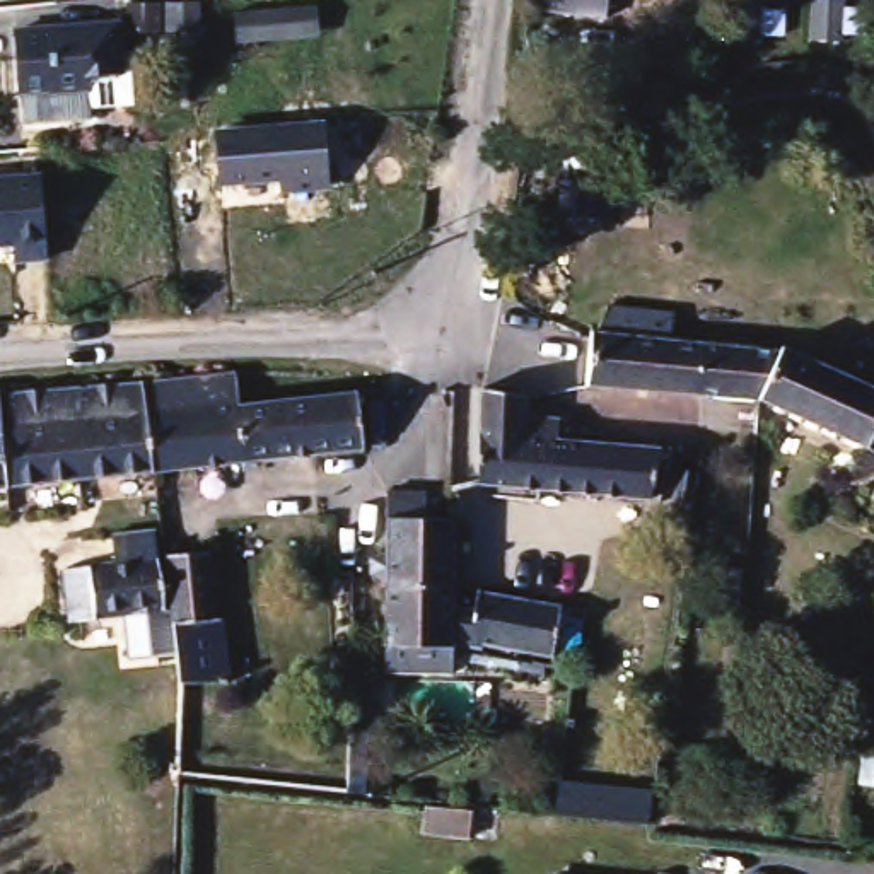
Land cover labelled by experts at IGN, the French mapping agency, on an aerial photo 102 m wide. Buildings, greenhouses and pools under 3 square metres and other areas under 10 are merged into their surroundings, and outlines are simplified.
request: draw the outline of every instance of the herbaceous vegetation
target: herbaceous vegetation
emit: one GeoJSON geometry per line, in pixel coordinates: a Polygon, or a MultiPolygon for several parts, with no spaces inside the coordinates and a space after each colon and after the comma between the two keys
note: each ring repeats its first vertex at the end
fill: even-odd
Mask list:
{"type": "Polygon", "coordinates": [[[236,365],[242,399],[358,389],[365,440],[376,447],[393,444],[413,423],[423,399],[434,393],[434,382],[420,382],[399,372],[372,372],[369,365],[348,358],[242,358],[236,365]]]}
{"type": "Polygon", "coordinates": [[[608,0],[608,20],[635,24],[662,0],[608,0]]]}
{"type": "Polygon", "coordinates": [[[874,710],[874,529],[867,522],[847,522],[833,516],[826,516],[809,533],[799,533],[792,526],[792,498],[816,485],[819,468],[836,464],[833,444],[809,444],[795,454],[782,451],[772,451],[755,434],[751,434],[744,440],[744,468],[755,478],[751,485],[724,488],[710,468],[696,464],[686,471],[690,488],[683,502],[676,502],[673,509],[673,522],[686,529],[690,553],[710,553],[724,563],[734,621],[748,635],[755,635],[761,625],[795,635],[809,649],[816,666],[840,679],[850,679],[857,686],[857,700],[874,710]],[[802,601],[799,574],[816,567],[813,550],[823,550],[826,560],[836,563],[836,577],[850,591],[847,604],[809,608],[802,601]]]}
{"type": "Polygon", "coordinates": [[[553,720],[536,724],[516,700],[488,696],[485,710],[478,700],[468,707],[468,724],[488,727],[498,737],[533,737],[533,744],[546,751],[539,758],[539,778],[546,782],[543,795],[550,802],[556,799],[560,782],[652,789],[649,775],[659,768],[673,785],[679,782],[679,755],[686,744],[707,748],[714,741],[707,727],[717,727],[727,717],[720,696],[724,666],[700,662],[703,621],[690,618],[683,625],[679,584],[673,584],[673,574],[662,563],[662,556],[652,560],[642,550],[642,539],[625,526],[618,536],[608,536],[601,543],[597,587],[591,594],[567,594],[556,652],[563,645],[580,649],[587,669],[597,676],[591,693],[574,690],[570,710],[556,710],[553,720]]]}
{"type": "Polygon", "coordinates": [[[860,765],[830,765],[826,772],[813,775],[809,789],[795,792],[785,802],[775,802],[768,813],[775,823],[782,823],[778,836],[714,823],[679,823],[666,813],[649,826],[553,816],[502,813],[498,802],[495,795],[485,795],[478,782],[492,765],[492,748],[481,737],[478,744],[468,744],[434,772],[437,782],[464,782],[468,809],[468,840],[434,840],[420,833],[423,809],[338,806],[318,799],[290,799],[290,792],[171,778],[167,768],[174,755],[174,727],[160,714],[160,690],[171,669],[123,669],[113,645],[79,649],[65,645],[65,635],[65,628],[34,625],[27,618],[0,628],[0,874],[178,874],[181,860],[171,857],[178,843],[178,789],[191,795],[191,874],[707,874],[703,860],[727,857],[731,843],[826,857],[836,843],[836,830],[843,826],[843,799],[850,795],[850,789],[860,785],[860,765]],[[133,734],[147,734],[147,761],[154,782],[126,789],[116,761],[133,734]]]}
{"type": "Polygon", "coordinates": [[[502,123],[516,123],[522,133],[529,133],[539,119],[553,113],[553,102],[546,96],[553,82],[546,79],[546,34],[556,27],[560,17],[553,7],[539,10],[536,0],[512,0],[512,27],[505,51],[505,106],[498,116],[502,123]]]}
{"type": "Polygon", "coordinates": [[[594,335],[601,331],[611,304],[621,297],[625,307],[669,311],[673,331],[683,338],[751,341],[765,348],[785,348],[785,355],[792,348],[826,348],[840,355],[854,372],[874,379],[874,116],[864,116],[850,102],[847,82],[850,58],[867,61],[874,55],[874,0],[847,0],[857,10],[857,34],[850,34],[843,44],[819,44],[809,38],[813,0],[748,0],[748,31],[734,41],[741,51],[731,58],[731,79],[748,89],[748,109],[758,119],[789,109],[813,119],[819,126],[819,150],[840,154],[843,178],[819,191],[816,184],[795,188],[782,181],[775,164],[761,178],[741,178],[741,184],[710,184],[710,195],[703,201],[676,205],[673,212],[645,208],[642,215],[632,215],[615,229],[591,232],[567,253],[567,287],[546,294],[550,307],[553,300],[567,300],[567,324],[574,331],[594,335]],[[765,31],[768,10],[785,14],[782,38],[772,38],[765,31]]]}
{"type": "Polygon", "coordinates": [[[27,318],[27,307],[20,297],[20,280],[10,273],[10,266],[0,263],[0,335],[7,335],[10,324],[20,324],[27,318]]]}
{"type": "Polygon", "coordinates": [[[160,553],[191,556],[195,625],[178,632],[181,652],[184,768],[341,785],[345,748],[328,744],[324,751],[318,751],[311,741],[314,707],[307,700],[321,686],[318,673],[304,666],[307,659],[321,659],[321,649],[338,638],[335,601],[300,604],[300,574],[290,563],[297,536],[321,536],[324,522],[318,516],[239,516],[219,522],[212,536],[195,536],[181,522],[178,478],[157,478],[157,519],[137,519],[130,505],[116,498],[99,512],[96,526],[72,533],[75,539],[113,539],[116,529],[123,529],[126,522],[133,522],[137,529],[150,526],[160,553]]]}
{"type": "Polygon", "coordinates": [[[130,382],[133,372],[154,376],[167,358],[102,365],[99,372],[31,369],[0,376],[0,396],[7,430],[27,406],[24,389],[38,393],[55,386],[106,386],[113,396],[116,382],[130,382]]]}
{"type": "Polygon", "coordinates": [[[314,38],[239,44],[236,10],[256,0],[198,0],[201,17],[184,20],[174,31],[171,48],[174,92],[154,96],[140,85],[133,89],[133,119],[130,126],[123,126],[133,147],[109,150],[106,171],[68,171],[55,160],[38,157],[34,160],[41,167],[48,222],[48,256],[41,259],[48,287],[58,294],[65,283],[79,277],[119,277],[119,283],[133,294],[133,307],[126,318],[174,321],[249,318],[259,311],[321,311],[321,318],[328,321],[348,321],[365,307],[376,307],[430,253],[434,242],[440,191],[434,188],[434,171],[440,160],[447,160],[454,137],[464,130],[464,119],[454,113],[454,65],[461,24],[468,17],[468,0],[318,0],[321,31],[314,38]],[[167,273],[184,270],[171,154],[184,150],[191,140],[215,140],[222,130],[246,119],[249,113],[324,109],[365,106],[382,113],[386,119],[386,140],[379,143],[379,150],[365,157],[348,181],[331,181],[318,195],[328,198],[328,215],[314,222],[290,222],[287,208],[280,205],[229,208],[222,212],[222,256],[212,270],[222,277],[222,287],[205,300],[198,314],[191,314],[178,304],[178,294],[167,280],[167,273]]]}

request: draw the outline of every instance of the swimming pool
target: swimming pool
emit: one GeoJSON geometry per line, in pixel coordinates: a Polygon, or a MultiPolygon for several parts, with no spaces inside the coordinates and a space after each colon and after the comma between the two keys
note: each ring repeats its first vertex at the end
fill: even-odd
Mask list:
{"type": "Polygon", "coordinates": [[[457,727],[468,724],[468,707],[478,700],[475,696],[454,686],[420,683],[410,696],[423,703],[430,717],[440,714],[457,727]]]}

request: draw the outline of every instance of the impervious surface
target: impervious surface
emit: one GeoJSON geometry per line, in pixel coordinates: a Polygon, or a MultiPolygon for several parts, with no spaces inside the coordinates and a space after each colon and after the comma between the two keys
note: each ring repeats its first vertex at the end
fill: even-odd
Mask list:
{"type": "Polygon", "coordinates": [[[0,488],[0,628],[27,618],[44,597],[41,553],[51,550],[58,556],[61,574],[61,611],[68,615],[68,621],[89,625],[85,638],[65,635],[65,645],[79,649],[113,645],[123,669],[171,669],[160,690],[160,714],[174,727],[174,755],[167,768],[171,778],[290,792],[348,795],[355,755],[352,748],[345,748],[341,785],[184,768],[181,652],[157,656],[150,649],[147,611],[119,618],[96,615],[96,584],[89,567],[92,556],[113,553],[113,539],[75,539],[72,533],[96,526],[99,512],[116,498],[130,505],[137,519],[157,519],[157,478],[154,471],[106,475],[99,478],[99,495],[89,509],[82,502],[82,488],[68,478],[38,481],[27,495],[0,488]],[[38,505],[72,505],[75,516],[58,522],[20,522],[20,505],[27,498],[38,505]]]}
{"type": "Polygon", "coordinates": [[[314,222],[328,215],[328,198],[318,195],[307,198],[300,191],[283,191],[280,184],[266,184],[263,191],[242,184],[225,188],[222,201],[229,208],[280,205],[287,208],[290,222],[314,222]]]}
{"type": "Polygon", "coordinates": [[[212,536],[219,522],[239,516],[318,516],[321,495],[335,509],[352,512],[338,543],[345,550],[341,563],[358,574],[369,574],[369,560],[386,556],[382,546],[389,516],[376,512],[379,498],[389,495],[393,485],[427,495],[420,516],[423,645],[451,645],[457,679],[478,683],[475,696],[478,700],[485,710],[488,696],[516,700],[536,724],[553,720],[556,710],[553,686],[522,683],[522,673],[495,673],[471,659],[464,628],[471,618],[471,594],[509,591],[512,577],[519,577],[522,553],[539,550],[563,553],[556,591],[567,594],[591,594],[597,587],[601,543],[608,536],[618,536],[625,526],[632,519],[649,519],[649,512],[656,509],[673,509],[676,502],[683,502],[690,488],[686,471],[696,464],[710,468],[714,451],[720,447],[720,434],[751,434],[755,434],[758,413],[744,410],[748,396],[601,386],[594,382],[594,335],[574,331],[567,324],[526,328],[522,318],[509,318],[505,307],[516,307],[516,290],[505,273],[498,280],[488,277],[488,263],[475,246],[485,225],[485,208],[509,201],[516,191],[516,171],[495,171],[478,154],[485,130],[502,123],[498,116],[505,106],[505,51],[512,27],[512,0],[468,0],[468,17],[461,24],[454,65],[454,113],[464,119],[464,130],[454,137],[447,160],[440,160],[434,171],[434,188],[440,191],[434,242],[430,253],[376,307],[365,307],[348,321],[328,321],[321,318],[321,311],[259,311],[249,318],[174,321],[126,318],[116,321],[109,331],[102,324],[82,324],[79,331],[72,331],[68,324],[51,324],[48,287],[41,259],[27,263],[14,256],[14,249],[0,246],[0,263],[10,266],[10,273],[20,280],[20,297],[27,307],[27,318],[20,324],[10,324],[7,335],[0,335],[0,376],[31,369],[99,372],[102,365],[167,358],[242,358],[348,358],[369,365],[372,372],[399,372],[420,382],[434,382],[434,393],[423,399],[413,423],[393,444],[376,447],[362,468],[355,468],[352,461],[331,461],[328,454],[297,454],[263,461],[219,461],[215,468],[184,468],[178,478],[181,522],[195,536],[212,536]],[[539,488],[529,485],[498,485],[447,495],[437,478],[451,471],[454,382],[464,382],[468,389],[502,389],[505,399],[522,399],[543,420],[556,413],[563,437],[659,444],[659,495],[618,498],[570,492],[563,498],[543,498],[539,488]]]}
{"type": "Polygon", "coordinates": [[[768,864],[792,867],[802,874],[874,874],[874,864],[843,864],[826,857],[731,843],[727,857],[703,860],[707,874],[765,874],[768,864]]]}
{"type": "Polygon", "coordinates": [[[133,89],[133,79],[126,72],[102,75],[96,65],[89,72],[89,92],[27,96],[17,75],[17,27],[31,24],[41,14],[58,14],[79,3],[130,7],[130,0],[0,0],[0,164],[34,160],[38,157],[38,133],[44,130],[123,126],[130,126],[133,119],[133,89]]]}

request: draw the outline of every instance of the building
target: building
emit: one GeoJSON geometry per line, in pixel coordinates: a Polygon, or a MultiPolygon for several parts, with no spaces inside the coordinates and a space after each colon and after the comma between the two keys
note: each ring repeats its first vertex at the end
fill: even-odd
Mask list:
{"type": "Polygon", "coordinates": [[[819,44],[843,44],[850,34],[857,34],[857,10],[847,0],[813,0],[809,38],[819,44]]]}
{"type": "Polygon", "coordinates": [[[280,184],[283,191],[300,191],[307,198],[318,195],[331,181],[324,150],[324,109],[249,113],[246,119],[222,130],[215,140],[219,181],[225,188],[242,184],[263,191],[266,184],[280,184]]]}
{"type": "Polygon", "coordinates": [[[157,656],[181,652],[178,632],[195,625],[191,556],[160,553],[150,526],[137,529],[133,522],[126,522],[123,529],[116,529],[113,539],[113,553],[92,556],[89,567],[96,584],[96,615],[119,618],[147,611],[150,649],[157,656]]]}
{"type": "Polygon", "coordinates": [[[471,659],[495,673],[522,673],[536,673],[536,666],[550,669],[556,652],[567,594],[556,591],[563,553],[539,550],[522,553],[519,577],[512,577],[509,591],[471,594],[471,618],[464,628],[471,659]]]}
{"type": "Polygon", "coordinates": [[[423,645],[420,516],[427,495],[393,485],[389,495],[379,498],[376,512],[389,516],[382,546],[386,556],[369,560],[369,574],[372,597],[379,601],[386,618],[386,662],[396,676],[413,676],[420,683],[454,686],[475,696],[478,683],[457,679],[451,645],[423,645]]]}
{"type": "Polygon", "coordinates": [[[751,341],[683,338],[673,331],[669,311],[625,307],[621,297],[611,304],[601,331],[594,335],[594,382],[601,386],[748,396],[744,410],[758,413],[765,406],[785,420],[782,451],[795,454],[809,444],[833,444],[836,464],[850,475],[854,488],[874,485],[874,379],[854,372],[840,355],[826,348],[792,348],[785,355],[785,348],[765,348],[751,341]]]}
{"type": "Polygon", "coordinates": [[[765,874],[802,874],[792,867],[768,864],[765,874]]]}
{"type": "Polygon", "coordinates": [[[7,430],[0,396],[0,488],[27,495],[38,481],[68,478],[82,488],[82,502],[89,509],[99,495],[99,478],[106,475],[154,471],[157,478],[178,478],[184,468],[215,468],[219,461],[263,461],[297,454],[328,454],[331,461],[352,461],[355,468],[362,468],[376,447],[365,440],[358,389],[242,399],[236,365],[242,358],[167,358],[154,376],[133,372],[130,382],[116,382],[113,396],[106,386],[55,386],[38,393],[24,389],[27,406],[7,430]]]}
{"type": "Polygon", "coordinates": [[[468,840],[468,809],[423,809],[420,833],[434,840],[468,840]]]}
{"type": "Polygon", "coordinates": [[[550,802],[553,816],[649,826],[666,813],[652,789],[560,782],[556,799],[550,802]]]}
{"type": "Polygon", "coordinates": [[[48,256],[48,222],[41,167],[34,160],[0,164],[0,246],[14,249],[14,256],[27,263],[41,259],[48,256]]]}
{"type": "Polygon", "coordinates": [[[256,0],[236,10],[239,44],[314,38],[321,31],[318,0],[256,0]]]}
{"type": "Polygon", "coordinates": [[[860,785],[874,785],[874,758],[860,758],[860,765],[860,785]]]}
{"type": "Polygon", "coordinates": [[[130,7],[79,3],[58,14],[41,14],[31,24],[17,27],[17,75],[27,96],[89,92],[89,72],[96,65],[102,75],[126,72],[137,48],[160,41],[171,48],[174,31],[184,20],[201,17],[198,0],[130,0],[130,7]]]}
{"type": "Polygon", "coordinates": [[[772,38],[782,38],[785,14],[768,10],[765,31],[772,38]]]}
{"type": "Polygon", "coordinates": [[[468,389],[464,382],[454,382],[451,471],[437,478],[447,495],[498,485],[529,485],[539,488],[543,498],[563,498],[570,492],[618,498],[659,495],[659,444],[563,437],[556,413],[543,420],[522,399],[505,399],[502,389],[468,389]]]}
{"type": "Polygon", "coordinates": [[[536,0],[539,10],[553,7],[560,17],[608,20],[608,0],[536,0]]]}

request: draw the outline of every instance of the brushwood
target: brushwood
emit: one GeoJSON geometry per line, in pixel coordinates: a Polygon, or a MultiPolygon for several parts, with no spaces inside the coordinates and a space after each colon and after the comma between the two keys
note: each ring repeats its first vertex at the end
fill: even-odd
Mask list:
{"type": "Polygon", "coordinates": [[[55,160],[68,171],[106,171],[109,150],[133,147],[123,126],[44,130],[38,133],[38,157],[55,160]]]}
{"type": "Polygon", "coordinates": [[[498,802],[502,813],[553,816],[550,802],[543,795],[512,792],[498,802]]]}
{"type": "Polygon", "coordinates": [[[119,283],[119,277],[79,277],[65,283],[58,294],[48,287],[51,324],[68,324],[72,331],[79,331],[82,324],[102,324],[109,331],[116,321],[126,318],[133,307],[133,294],[119,283]]]}
{"type": "Polygon", "coordinates": [[[324,522],[321,536],[338,543],[352,512],[335,509],[321,495],[318,516],[324,522]]]}
{"type": "Polygon", "coordinates": [[[813,550],[816,567],[799,574],[802,601],[809,608],[847,604],[850,591],[836,577],[836,563],[826,560],[823,550],[813,550]]]}
{"type": "Polygon", "coordinates": [[[724,488],[751,485],[755,478],[744,468],[744,440],[751,434],[720,434],[720,447],[714,451],[710,468],[724,488]]]}
{"type": "Polygon", "coordinates": [[[65,628],[65,635],[85,638],[89,625],[68,621],[68,615],[61,611],[61,574],[58,556],[51,550],[41,553],[44,597],[27,618],[34,625],[65,628]]]}
{"type": "Polygon", "coordinates": [[[178,304],[191,314],[198,314],[205,300],[222,287],[222,277],[212,270],[184,270],[167,273],[167,280],[178,294],[178,304]]]}
{"type": "Polygon", "coordinates": [[[178,789],[178,843],[171,857],[181,860],[178,874],[191,874],[191,795],[178,789]]]}
{"type": "Polygon", "coordinates": [[[758,413],[755,434],[772,451],[782,451],[785,420],[765,406],[758,413]]]}
{"type": "Polygon", "coordinates": [[[27,498],[20,505],[20,522],[58,522],[75,516],[72,505],[38,505],[27,498]]]}
{"type": "Polygon", "coordinates": [[[836,464],[819,468],[816,485],[792,498],[792,526],[799,533],[809,533],[826,516],[833,516],[847,522],[867,522],[874,529],[874,485],[854,488],[850,475],[836,464]]]}
{"type": "Polygon", "coordinates": [[[133,734],[116,761],[126,789],[154,782],[147,761],[147,734],[133,734]]]}

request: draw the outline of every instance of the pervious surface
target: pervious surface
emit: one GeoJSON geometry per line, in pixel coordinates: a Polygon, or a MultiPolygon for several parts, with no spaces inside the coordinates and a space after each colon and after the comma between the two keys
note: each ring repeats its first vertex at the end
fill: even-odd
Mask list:
{"type": "Polygon", "coordinates": [[[215,140],[191,140],[184,150],[171,154],[184,270],[212,270],[222,256],[222,212],[229,208],[222,201],[225,188],[219,181],[215,140]]]}
{"type": "Polygon", "coordinates": [[[526,270],[505,273],[516,290],[516,307],[505,307],[509,318],[522,318],[526,328],[567,324],[567,300],[553,300],[550,307],[546,294],[567,287],[567,253],[543,270],[529,263],[526,270]]]}
{"type": "Polygon", "coordinates": [[[382,113],[365,106],[324,109],[324,150],[331,181],[348,181],[365,157],[379,150],[379,143],[386,140],[386,119],[382,113]]]}

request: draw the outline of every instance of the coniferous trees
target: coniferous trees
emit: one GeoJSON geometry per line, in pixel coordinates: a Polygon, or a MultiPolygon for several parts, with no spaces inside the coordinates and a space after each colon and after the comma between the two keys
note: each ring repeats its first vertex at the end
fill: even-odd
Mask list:
{"type": "Polygon", "coordinates": [[[133,79],[133,89],[140,85],[154,96],[174,92],[171,48],[160,41],[137,48],[126,72],[133,79]]]}

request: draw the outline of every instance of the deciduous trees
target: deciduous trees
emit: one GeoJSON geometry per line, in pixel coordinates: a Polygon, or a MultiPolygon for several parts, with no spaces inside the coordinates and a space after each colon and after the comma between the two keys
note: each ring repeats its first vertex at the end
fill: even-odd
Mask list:
{"type": "Polygon", "coordinates": [[[850,789],[850,795],[843,799],[843,826],[836,830],[836,843],[826,857],[843,864],[874,864],[874,785],[860,785],[850,789]]]}
{"type": "Polygon", "coordinates": [[[860,765],[860,758],[874,758],[874,710],[857,700],[857,686],[850,679],[840,679],[816,666],[809,649],[795,635],[761,625],[755,635],[748,635],[734,621],[724,563],[710,553],[690,553],[686,529],[673,522],[673,509],[656,509],[649,512],[649,519],[632,519],[625,526],[642,539],[642,550],[652,560],[662,556],[662,563],[673,574],[673,584],[679,584],[683,625],[690,618],[703,621],[700,662],[724,666],[720,696],[727,717],[717,727],[707,727],[714,741],[707,748],[686,744],[679,755],[679,782],[673,785],[659,768],[649,775],[652,789],[666,813],[679,823],[714,823],[778,836],[782,823],[775,823],[768,813],[775,802],[785,802],[795,792],[809,789],[813,775],[826,772],[830,765],[860,765]]]}
{"type": "Polygon", "coordinates": [[[533,737],[498,737],[488,727],[468,724],[457,727],[440,714],[430,717],[423,703],[410,696],[420,683],[413,676],[396,676],[386,662],[386,618],[379,601],[372,597],[369,574],[358,574],[341,563],[345,550],[338,543],[321,536],[297,536],[290,563],[300,574],[300,604],[335,601],[338,638],[321,649],[321,659],[307,659],[304,666],[318,673],[321,686],[307,700],[314,707],[311,741],[318,751],[324,751],[328,744],[345,748],[352,748],[355,755],[348,795],[290,792],[290,799],[318,799],[338,806],[423,809],[468,809],[464,782],[437,782],[434,772],[468,744],[478,744],[481,737],[492,748],[492,765],[478,782],[485,795],[495,795],[498,802],[512,792],[543,795],[546,782],[539,778],[539,758],[546,751],[533,744],[533,737]]]}
{"type": "Polygon", "coordinates": [[[556,652],[550,669],[536,666],[536,673],[522,673],[522,683],[553,686],[556,710],[570,710],[574,690],[591,693],[597,676],[587,669],[580,649],[563,645],[556,652]]]}
{"type": "Polygon", "coordinates": [[[874,55],[867,61],[850,58],[847,82],[850,102],[864,116],[874,116],[874,55]]]}
{"type": "Polygon", "coordinates": [[[748,109],[748,89],[731,79],[731,58],[741,51],[734,41],[748,31],[748,0],[662,0],[635,24],[608,20],[560,17],[556,27],[546,34],[546,79],[553,82],[546,96],[553,102],[553,113],[539,119],[529,133],[522,133],[516,123],[502,123],[485,130],[478,154],[495,171],[516,171],[516,191],[509,201],[485,208],[485,225],[475,246],[488,263],[488,277],[498,280],[505,273],[526,270],[529,263],[543,270],[567,253],[591,232],[615,229],[632,215],[642,215],[645,208],[673,212],[676,205],[703,201],[710,195],[710,184],[741,184],[741,178],[761,178],[775,164],[782,181],[795,188],[816,184],[819,191],[843,178],[840,154],[819,150],[819,126],[813,119],[789,109],[758,119],[748,109]]]}

